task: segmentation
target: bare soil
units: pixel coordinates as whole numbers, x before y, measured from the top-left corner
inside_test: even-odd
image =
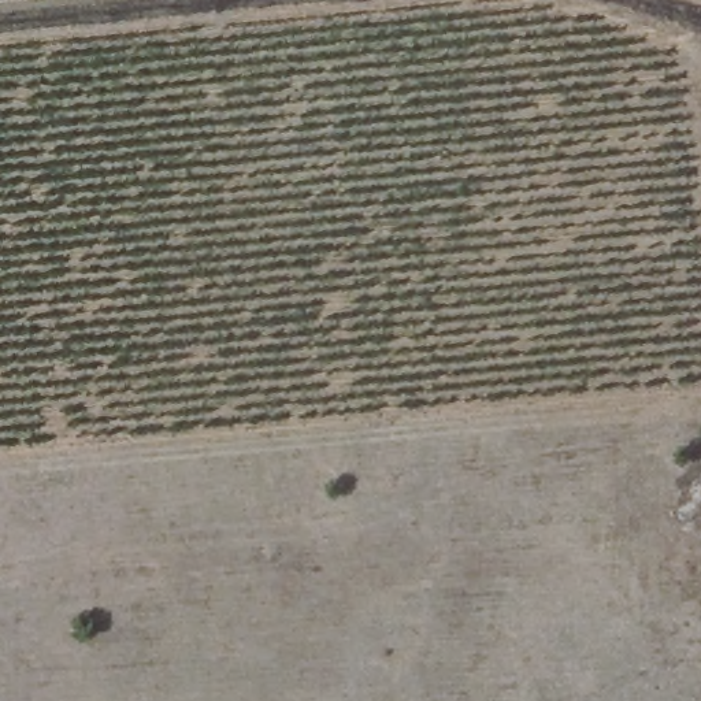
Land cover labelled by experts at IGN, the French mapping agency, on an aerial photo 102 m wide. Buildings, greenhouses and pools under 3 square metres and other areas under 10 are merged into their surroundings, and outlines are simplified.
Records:
[[[685,27],[701,33],[701,0],[635,0],[646,14],[682,22]]]
[[[693,515],[693,526],[701,531],[701,435],[676,452],[676,463],[682,466],[682,476],[676,479],[676,498],[682,504],[679,512]]]
[[[682,600],[698,602],[701,608],[701,556],[685,564],[687,581],[679,581]]]

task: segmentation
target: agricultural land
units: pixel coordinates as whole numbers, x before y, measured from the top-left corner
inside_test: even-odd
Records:
[[[676,479],[682,476],[682,466],[676,463],[676,452],[701,435],[701,383],[679,389],[657,386],[556,397],[518,397],[501,403],[455,403],[438,408],[383,408],[375,413],[356,416],[197,427],[186,433],[156,435],[79,438],[74,430],[68,438],[55,438],[47,444],[0,446],[0,701],[701,701],[701,608],[698,602],[682,600],[679,581],[687,581],[685,564],[701,556],[701,531],[693,526],[693,515],[679,512],[682,504],[676,498]],[[356,487],[348,496],[334,498],[329,496],[329,485],[342,474],[353,474]]]

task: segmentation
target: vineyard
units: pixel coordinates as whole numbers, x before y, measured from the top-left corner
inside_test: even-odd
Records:
[[[657,386],[679,389],[701,383],[701,33],[685,27],[682,22],[646,14],[635,0],[181,0],[178,14],[156,14],[142,19],[99,25],[25,27],[0,33],[0,446],[47,444],[55,438],[68,438],[74,430],[79,438],[156,435],[186,433],[197,427],[356,416],[375,413],[383,408],[438,408],[455,403],[501,403],[518,397],[556,397]]]

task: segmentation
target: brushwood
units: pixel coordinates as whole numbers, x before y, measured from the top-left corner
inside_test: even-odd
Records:
[[[142,19],[156,14],[178,14],[181,0],[0,0],[0,33],[25,27],[99,25]]]

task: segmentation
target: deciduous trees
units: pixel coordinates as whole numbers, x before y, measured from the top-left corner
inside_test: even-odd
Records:
[[[329,485],[329,496],[334,498],[348,496],[356,487],[353,474],[342,474]]]

